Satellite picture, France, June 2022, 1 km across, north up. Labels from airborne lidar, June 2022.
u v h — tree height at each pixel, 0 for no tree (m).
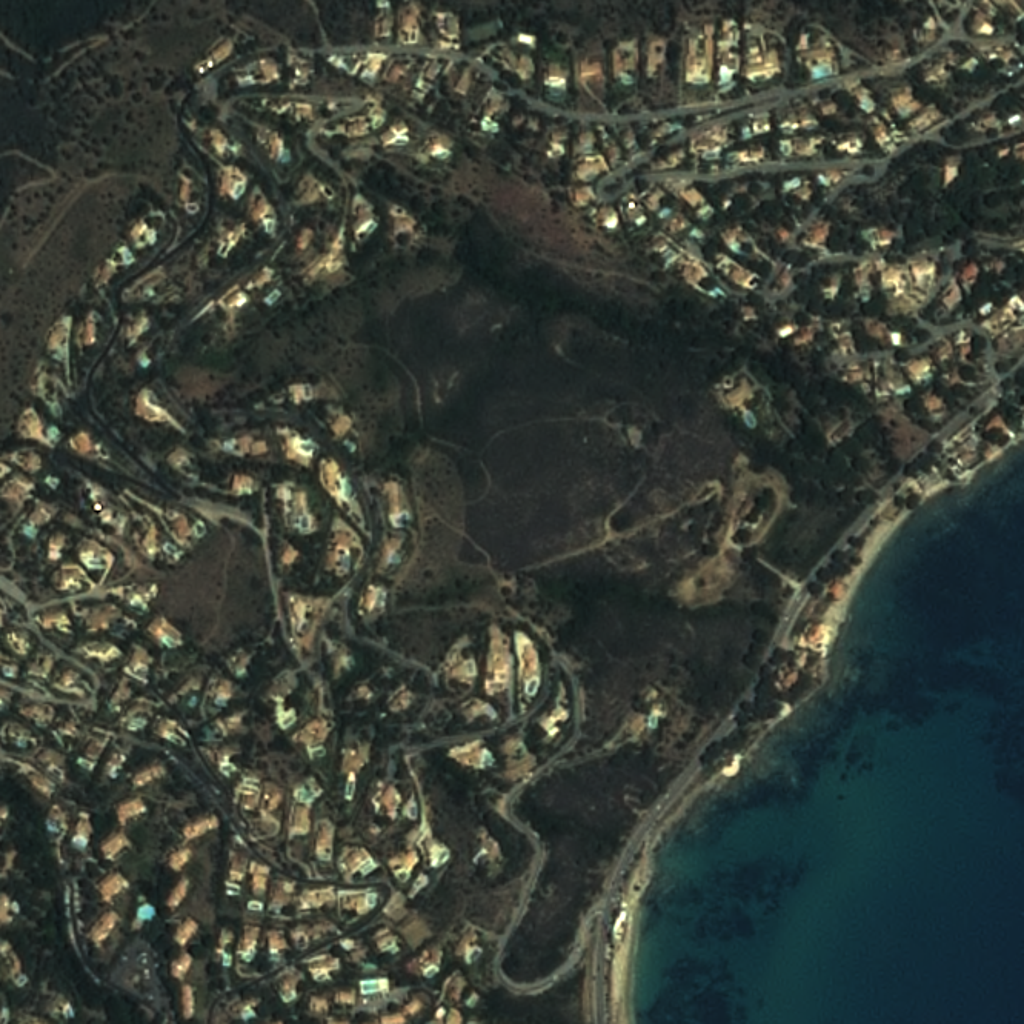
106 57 9
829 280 11
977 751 0
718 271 10
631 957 0
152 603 9
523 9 9
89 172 8
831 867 0
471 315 0
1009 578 0
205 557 0
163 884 6
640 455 8
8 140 7
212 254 8
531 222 0
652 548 0
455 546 0
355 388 0
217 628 0
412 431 8
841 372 6
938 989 0
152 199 6
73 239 0
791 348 9
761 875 0
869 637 0
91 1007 9
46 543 6
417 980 6
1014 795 0
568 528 0
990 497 0
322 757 0
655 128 7
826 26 6
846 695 0
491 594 0
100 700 6
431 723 6
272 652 6
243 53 9
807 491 8
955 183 10
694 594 0
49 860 10
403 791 11
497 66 7
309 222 11
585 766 5
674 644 0
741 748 14
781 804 0
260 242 8
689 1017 0
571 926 0
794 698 11
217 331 6
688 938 0
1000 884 0
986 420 6
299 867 7
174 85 8
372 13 7
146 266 0
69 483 7
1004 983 0
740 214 10
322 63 7
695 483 0
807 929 0
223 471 6
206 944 10
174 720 10
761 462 8
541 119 5
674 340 11
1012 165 14
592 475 0
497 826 14
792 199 10
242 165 8
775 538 0
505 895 0
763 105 0
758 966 0
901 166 12
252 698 6
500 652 0
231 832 7
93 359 7
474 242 6
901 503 11
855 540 13
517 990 0
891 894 0
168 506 9
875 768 0
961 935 0
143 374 11
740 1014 0
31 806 12
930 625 0
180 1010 11
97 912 7
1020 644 0
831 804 0
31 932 7
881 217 14
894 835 0
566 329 0
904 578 0
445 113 10
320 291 7
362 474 6
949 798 0
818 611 0
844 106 12
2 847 10
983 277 10
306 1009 12
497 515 0
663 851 0
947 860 0
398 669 6
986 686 0
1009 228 6
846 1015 0
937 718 0
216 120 10
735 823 0
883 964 0
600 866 0
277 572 7
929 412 7
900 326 11
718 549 10
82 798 9
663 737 7
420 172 7
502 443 0
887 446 9
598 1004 0
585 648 7
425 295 0
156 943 10
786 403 10
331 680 6
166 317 8
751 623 0
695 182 6
